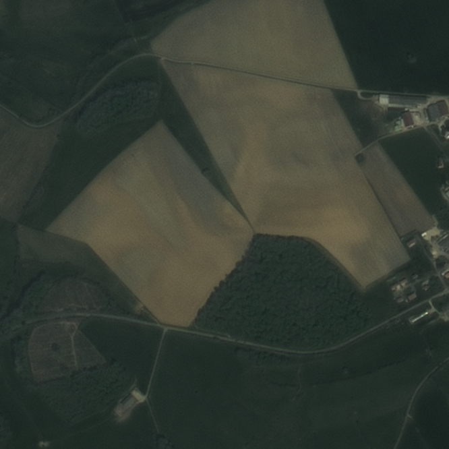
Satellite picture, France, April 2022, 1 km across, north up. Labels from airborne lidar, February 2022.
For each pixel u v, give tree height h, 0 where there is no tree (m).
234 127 0
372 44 0
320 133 0
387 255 0
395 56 0
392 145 0
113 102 13
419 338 0
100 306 0
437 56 0
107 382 23
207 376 0
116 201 0
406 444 0
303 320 27
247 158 0
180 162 0
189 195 0
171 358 0
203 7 0
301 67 0
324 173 0
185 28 0
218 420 0
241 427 0
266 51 0
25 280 0
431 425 0
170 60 0
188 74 0
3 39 0
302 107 0
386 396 0
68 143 0
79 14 0
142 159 0
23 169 0
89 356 0
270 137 0
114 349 0
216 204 0
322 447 0
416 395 0
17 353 21
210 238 0
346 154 0
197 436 0
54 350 0
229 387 0
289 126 0
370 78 0
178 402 0
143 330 0
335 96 0
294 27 0
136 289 0
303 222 0
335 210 0
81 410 16
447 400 0
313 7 0
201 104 0
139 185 0
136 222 0
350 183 0
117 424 0
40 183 6
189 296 0
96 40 0
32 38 0
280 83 0
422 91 0
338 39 0
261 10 0
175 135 0
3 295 0
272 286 30
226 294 21
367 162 0
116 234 0
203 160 0
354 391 0
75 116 0
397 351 0
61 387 16
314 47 0
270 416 0
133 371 0
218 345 0
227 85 0
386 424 0
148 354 0
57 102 0
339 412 0
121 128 0
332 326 19
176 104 0
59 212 0
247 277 24
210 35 0
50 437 0
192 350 0
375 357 0
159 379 0
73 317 0
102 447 0
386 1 0
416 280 0
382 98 0
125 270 0
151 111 21
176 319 0
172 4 0
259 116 0
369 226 0
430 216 0
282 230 0
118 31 0
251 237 0
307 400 0
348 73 0
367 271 0
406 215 0
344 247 0
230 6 0
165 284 0
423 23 0
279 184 0
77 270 0
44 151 0
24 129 0
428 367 0
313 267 24
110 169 0
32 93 0
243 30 0
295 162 0
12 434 12
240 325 26
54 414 0
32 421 0
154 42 0
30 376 7
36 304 25
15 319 25
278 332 22
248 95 0
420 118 0
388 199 0
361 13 0
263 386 0
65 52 0
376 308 0
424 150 0
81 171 0
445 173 0
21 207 0
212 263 0
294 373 0
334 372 0
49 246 0
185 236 0
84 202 0
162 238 0
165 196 0
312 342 20
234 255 0
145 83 23
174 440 0
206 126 0
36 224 0
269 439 0
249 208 0
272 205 0
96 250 0
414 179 0
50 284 25
